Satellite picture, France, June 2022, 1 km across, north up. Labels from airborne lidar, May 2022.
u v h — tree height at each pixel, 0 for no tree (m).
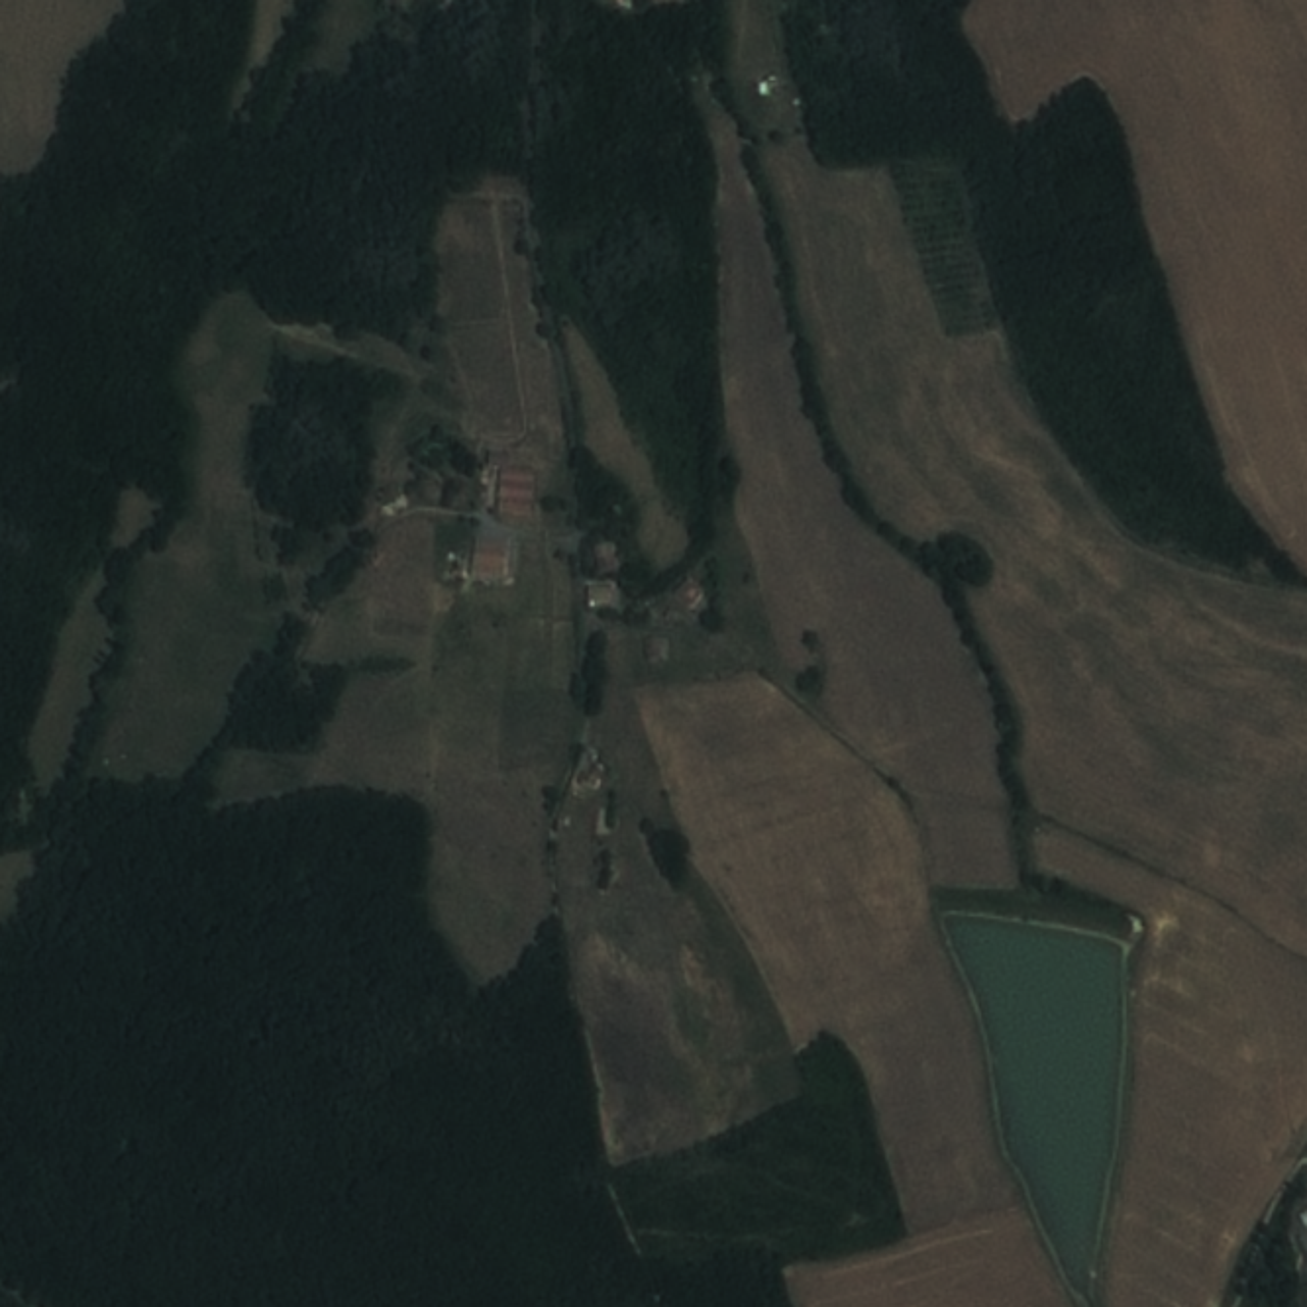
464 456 18
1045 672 0
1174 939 0
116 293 14
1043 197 17
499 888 0
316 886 21
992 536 0
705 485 10
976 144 15
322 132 24
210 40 10
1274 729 0
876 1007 0
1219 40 0
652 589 6
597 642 15
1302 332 0
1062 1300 0
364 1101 16
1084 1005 0
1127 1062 0
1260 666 0
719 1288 10
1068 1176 0
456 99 19
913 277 0
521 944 0
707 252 12
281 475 19
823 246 0
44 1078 22
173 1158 18
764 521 0
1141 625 0
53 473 25
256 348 0
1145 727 0
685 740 0
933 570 18
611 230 12
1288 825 0
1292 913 0
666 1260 11
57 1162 15
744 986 0
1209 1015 0
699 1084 0
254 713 15
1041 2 0
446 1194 14
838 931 0
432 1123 12
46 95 0
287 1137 22
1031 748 0
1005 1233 0
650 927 0
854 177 0
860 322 0
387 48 16
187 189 24
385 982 21
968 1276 0
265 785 0
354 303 19
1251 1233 0
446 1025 18
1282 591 0
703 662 0
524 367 0
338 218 19
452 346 0
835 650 0
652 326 10
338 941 18
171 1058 20
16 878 0
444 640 0
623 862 0
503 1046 13
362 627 0
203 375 0
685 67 17
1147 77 0
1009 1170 0
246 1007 14
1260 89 0
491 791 0
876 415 0
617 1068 0
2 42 0
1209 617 0
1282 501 0
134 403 19
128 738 0
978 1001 0
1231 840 0
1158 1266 0
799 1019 0
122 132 17
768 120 0
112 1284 18
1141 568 0
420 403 0
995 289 8
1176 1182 0
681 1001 0
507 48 10
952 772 0
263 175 21
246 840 15
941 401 0
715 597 10
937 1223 0
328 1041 19
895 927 0
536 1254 12
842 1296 0
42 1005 21
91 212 17
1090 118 16
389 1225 12
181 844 19
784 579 0
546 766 0
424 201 20
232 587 0
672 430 6
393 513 0
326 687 14
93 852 18
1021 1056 0
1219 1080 0
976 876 0
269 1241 18
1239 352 0
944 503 0
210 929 8
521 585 0
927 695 0
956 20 6
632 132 8
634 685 0
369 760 0
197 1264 17
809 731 0
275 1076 19
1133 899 0
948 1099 0
